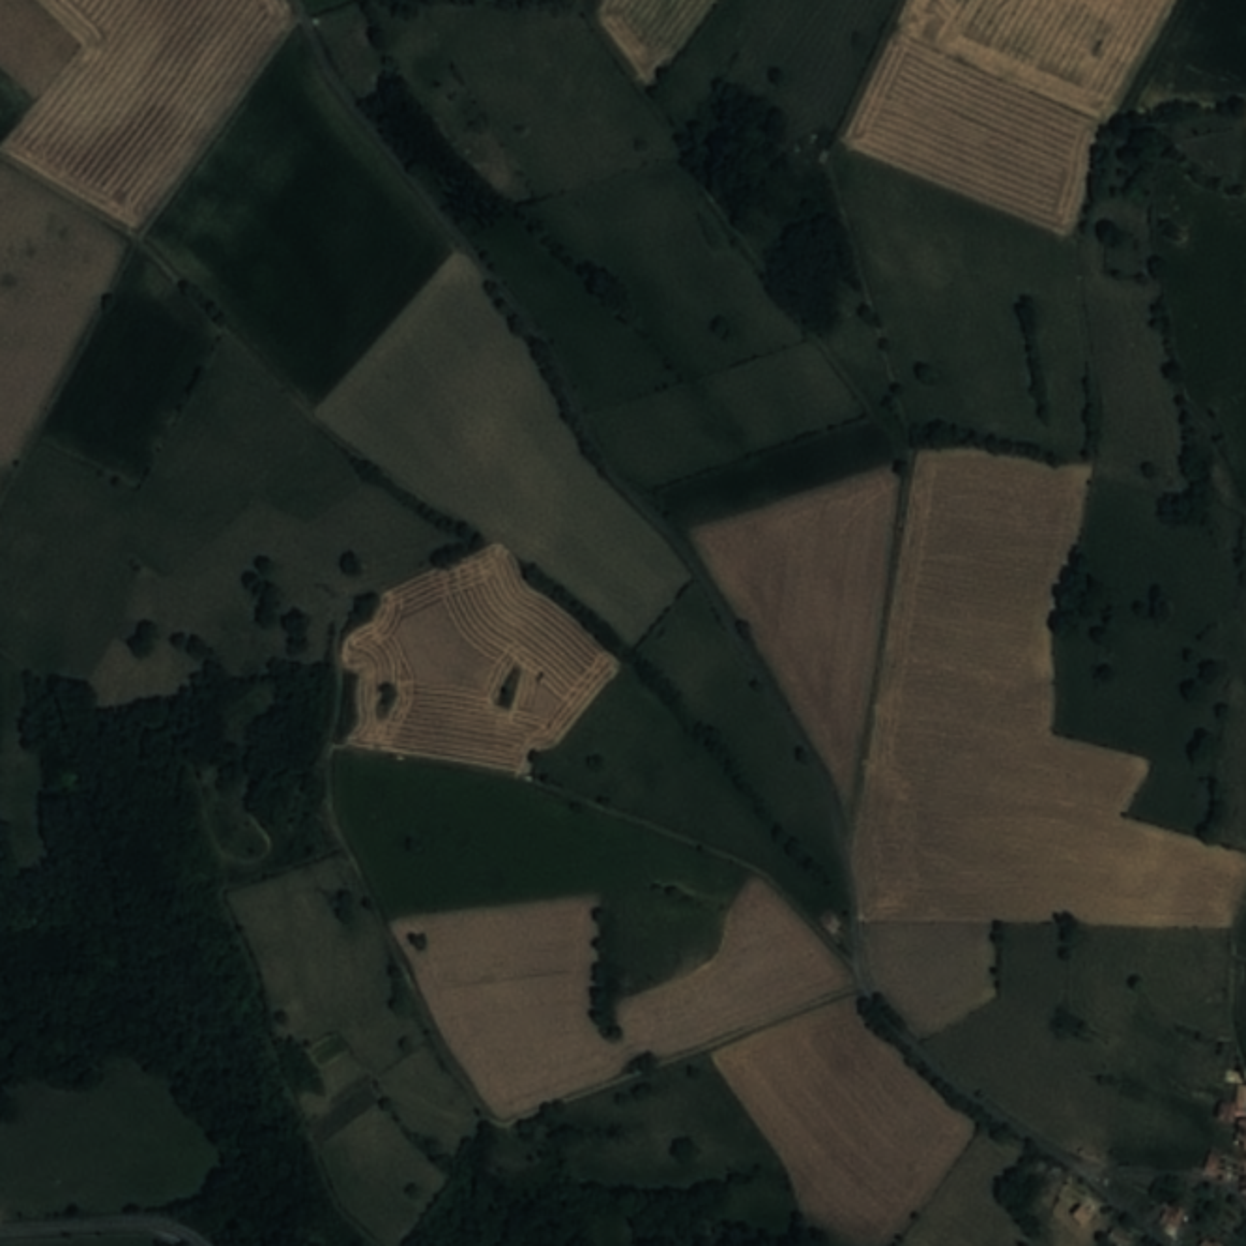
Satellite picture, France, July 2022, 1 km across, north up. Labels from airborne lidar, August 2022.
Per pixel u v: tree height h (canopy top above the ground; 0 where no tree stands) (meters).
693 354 0
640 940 0
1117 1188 0
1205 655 0
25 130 0
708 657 0
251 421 0
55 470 0
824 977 0
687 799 0
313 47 0
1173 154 12
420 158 17
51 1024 19
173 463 0
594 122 0
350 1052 0
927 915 0
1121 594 0
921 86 0
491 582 0
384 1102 8
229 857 0
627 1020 0
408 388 0
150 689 0
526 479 0
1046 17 0
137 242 0
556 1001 0
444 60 0
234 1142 14
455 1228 13
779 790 0
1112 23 0
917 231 0
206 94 0
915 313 0
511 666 0
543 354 15
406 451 0
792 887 0
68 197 0
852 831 0
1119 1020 0
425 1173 0
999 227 0
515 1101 0
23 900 17
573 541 0
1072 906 0
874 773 0
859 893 0
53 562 0
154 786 10
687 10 0
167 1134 0
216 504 0
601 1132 6
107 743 13
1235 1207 8
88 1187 0
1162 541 0
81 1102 0
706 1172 0
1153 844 0
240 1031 16
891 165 0
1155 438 0
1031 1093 0
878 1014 13
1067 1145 0
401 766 0
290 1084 8
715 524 0
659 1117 0
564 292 0
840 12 0
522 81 0
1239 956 0
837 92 0
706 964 0
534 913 0
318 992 0
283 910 0
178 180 0
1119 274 8
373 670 0
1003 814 0
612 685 0
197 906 8
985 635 0
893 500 0
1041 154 0
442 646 0
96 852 18
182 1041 16
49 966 17
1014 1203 14
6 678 0
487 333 0
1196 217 0
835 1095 0
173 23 0
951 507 0
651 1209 27
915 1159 0
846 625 0
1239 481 0
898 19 0
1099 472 0
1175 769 0
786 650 0
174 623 0
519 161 0
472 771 0
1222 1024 0
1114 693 0
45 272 0
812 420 0
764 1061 0
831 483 0
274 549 0
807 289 16
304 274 0
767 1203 0
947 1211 0
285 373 0
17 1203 0
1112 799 0
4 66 0
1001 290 0
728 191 15
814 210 7
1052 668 0
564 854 0
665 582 0
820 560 0
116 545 0
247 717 0
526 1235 20
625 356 0
